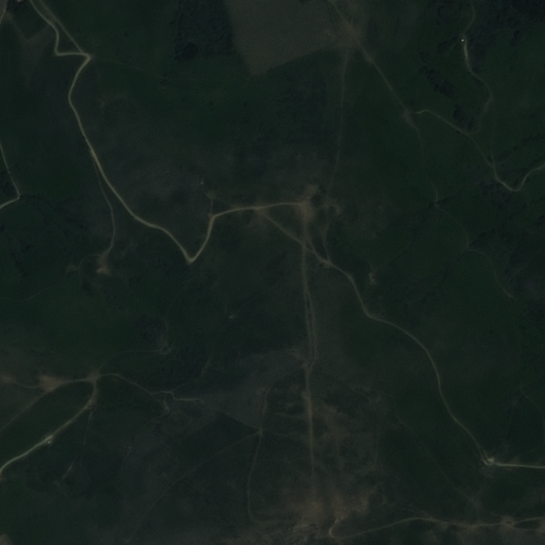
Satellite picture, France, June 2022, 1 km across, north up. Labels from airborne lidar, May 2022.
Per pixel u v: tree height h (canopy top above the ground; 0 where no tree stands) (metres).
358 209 0
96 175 0
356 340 0
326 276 0
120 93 0
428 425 0
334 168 0
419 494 0
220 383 0
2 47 0
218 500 0
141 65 0
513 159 0
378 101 0
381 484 0
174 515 0
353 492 0
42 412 0
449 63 0
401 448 0
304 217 0
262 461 0
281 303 0
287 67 0
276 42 0
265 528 0
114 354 0
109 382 0
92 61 0
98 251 0
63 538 0
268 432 0
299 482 0
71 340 0
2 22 0
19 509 0
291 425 0
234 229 0
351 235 0
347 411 0
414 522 0
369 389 0
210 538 0
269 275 0
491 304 0
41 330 0
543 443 0
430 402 0
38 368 0
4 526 0
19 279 0
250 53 0
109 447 0
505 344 0
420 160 0
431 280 0
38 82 0
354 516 0
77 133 0
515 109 0
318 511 0
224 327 0
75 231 0
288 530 0
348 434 0
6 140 0
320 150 0
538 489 0
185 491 0
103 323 0
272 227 0
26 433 0
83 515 0
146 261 0
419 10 0
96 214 0
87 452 0
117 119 0
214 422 0
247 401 0
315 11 0
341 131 0
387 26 0
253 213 0
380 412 0
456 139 0
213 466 0
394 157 0
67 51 0
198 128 0
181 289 0
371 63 0
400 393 0
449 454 0
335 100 0
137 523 0
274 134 0
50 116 0
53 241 0
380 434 0
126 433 0
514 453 0
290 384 0
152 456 0
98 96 0
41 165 0
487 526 0
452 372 0
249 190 0
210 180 0
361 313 0
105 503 0
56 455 0
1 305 0
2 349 0
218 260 0
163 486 0
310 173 0
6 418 0
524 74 0
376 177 0
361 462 0
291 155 0
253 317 0
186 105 0
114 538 0
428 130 0
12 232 0
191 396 0
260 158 0
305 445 0
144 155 0
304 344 0
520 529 0
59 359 0
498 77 0
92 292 0
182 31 10
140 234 0
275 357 0
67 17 0
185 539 0
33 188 0
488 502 0
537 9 29
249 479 0
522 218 0
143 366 0
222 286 0
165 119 0
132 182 0
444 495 0
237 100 0
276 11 0
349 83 0
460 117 15
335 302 0
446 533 0
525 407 0
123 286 0
